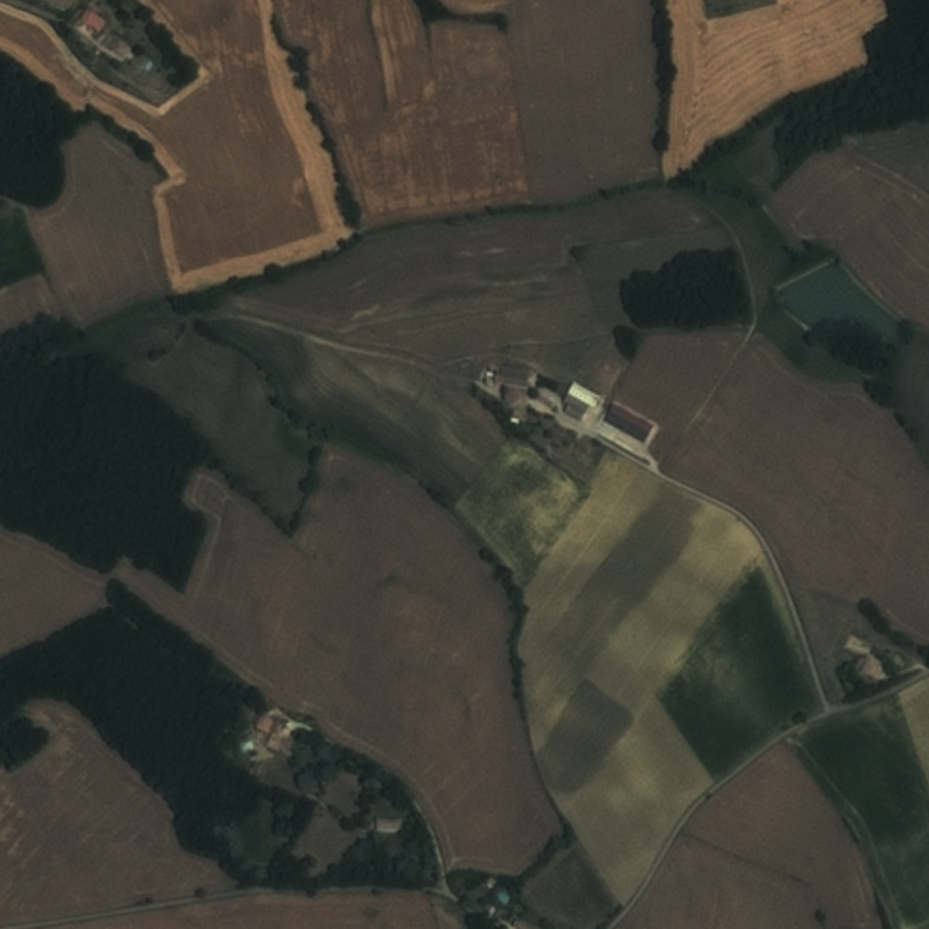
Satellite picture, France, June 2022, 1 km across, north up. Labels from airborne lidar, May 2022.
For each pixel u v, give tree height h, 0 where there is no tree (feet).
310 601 0
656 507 0
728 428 0
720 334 0
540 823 0
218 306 0
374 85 0
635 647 0
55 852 0
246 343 0
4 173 57
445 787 0
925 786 0
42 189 48
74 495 31
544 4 0
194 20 0
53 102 32
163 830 0
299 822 43
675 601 0
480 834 0
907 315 0
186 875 0
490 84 0
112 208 0
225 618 0
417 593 0
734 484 0
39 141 42
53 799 0
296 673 0
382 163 0
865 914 0
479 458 0
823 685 0
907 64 63
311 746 22
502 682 0
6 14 0
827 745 0
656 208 0
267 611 0
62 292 0
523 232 0
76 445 48
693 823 0
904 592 0
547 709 0
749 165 0
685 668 0
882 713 0
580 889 0
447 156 0
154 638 33
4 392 83
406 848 46
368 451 0
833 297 0
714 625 0
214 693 41
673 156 0
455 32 0
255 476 0
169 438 63
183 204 0
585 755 0
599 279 0
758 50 0
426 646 0
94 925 0
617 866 0
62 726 0
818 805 0
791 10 0
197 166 0
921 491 0
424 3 27
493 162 0
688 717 0
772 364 0
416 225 0
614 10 0
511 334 0
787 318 0
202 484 0
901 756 0
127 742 52
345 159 0
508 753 0
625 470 0
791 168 43
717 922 0
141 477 67
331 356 0
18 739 62
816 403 0
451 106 0
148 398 58
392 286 0
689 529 0
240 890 20
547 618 0
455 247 0
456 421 0
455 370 0
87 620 27
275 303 0
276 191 0
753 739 0
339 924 0
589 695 0
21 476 46
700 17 0
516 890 22
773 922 0
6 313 0
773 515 0
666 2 29
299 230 0
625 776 0
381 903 0
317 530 0
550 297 0
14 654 38
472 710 0
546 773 0
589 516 0
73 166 0
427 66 0
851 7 0
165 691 48
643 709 0
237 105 0
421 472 0
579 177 0
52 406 51
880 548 0
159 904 0
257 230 0
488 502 0
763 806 0
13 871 0
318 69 0
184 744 57
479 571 0
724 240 0
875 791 0
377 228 0
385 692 0
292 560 0
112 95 0
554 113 0
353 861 45
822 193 0
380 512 0
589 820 0
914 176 0
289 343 0
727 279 56
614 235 0
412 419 0
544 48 0
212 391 0
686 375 0
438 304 0
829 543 0
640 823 0
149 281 0
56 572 0
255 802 43
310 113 28
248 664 0
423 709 0
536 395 34
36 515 38
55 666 41
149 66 0
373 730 0
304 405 0
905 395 0
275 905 0
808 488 0
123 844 0
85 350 0
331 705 0
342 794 0
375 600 0
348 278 0
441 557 0
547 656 0
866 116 61
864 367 46
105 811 0
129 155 0
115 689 37
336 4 0
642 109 0
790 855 0
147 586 0
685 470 0
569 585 0
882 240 0
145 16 63
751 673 0
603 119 0
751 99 0
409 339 0
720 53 0
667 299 68
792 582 0
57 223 0
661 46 59
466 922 31
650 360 0
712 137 0
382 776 58
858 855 0
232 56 0
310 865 57
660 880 0
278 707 0
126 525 60
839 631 0
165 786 76
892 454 0
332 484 0
